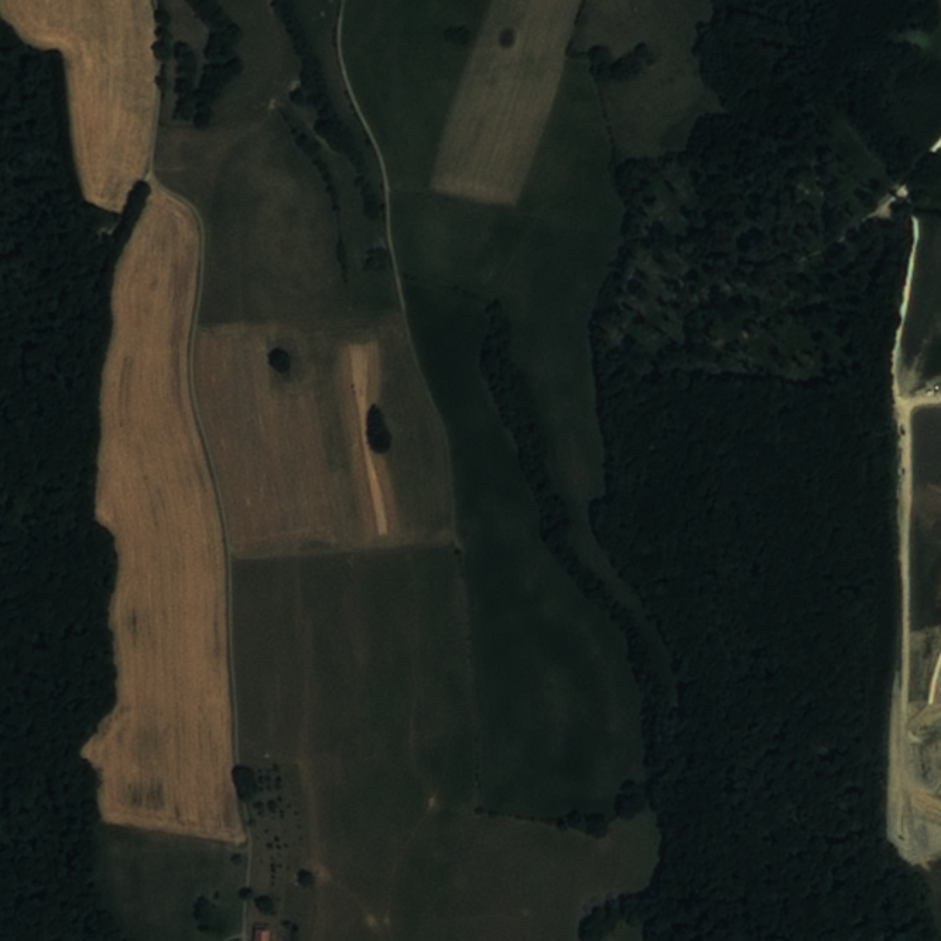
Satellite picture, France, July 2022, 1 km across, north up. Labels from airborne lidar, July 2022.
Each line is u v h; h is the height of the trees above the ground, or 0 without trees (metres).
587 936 19
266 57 0
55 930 24
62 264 21
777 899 10
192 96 15
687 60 0
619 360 25
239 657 0
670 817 24
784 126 27
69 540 21
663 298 0
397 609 0
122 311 0
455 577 0
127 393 0
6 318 21
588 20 0
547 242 0
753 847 22
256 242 0
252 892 13
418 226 0
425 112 0
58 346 25
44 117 26
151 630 0
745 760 21
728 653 21
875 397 25
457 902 0
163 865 0
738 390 22
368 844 0
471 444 0
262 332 0
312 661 0
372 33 0
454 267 0
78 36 0
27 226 24
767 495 23
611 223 0
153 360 0
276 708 0
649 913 22
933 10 21
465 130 0
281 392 0
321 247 0
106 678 17
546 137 0
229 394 0
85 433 21
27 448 27
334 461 0
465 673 0
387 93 0
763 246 29
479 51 0
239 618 0
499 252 0
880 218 0
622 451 20
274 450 0
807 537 25
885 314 19
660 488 23
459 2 0
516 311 0
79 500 20
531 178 0
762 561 21
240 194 0
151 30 0
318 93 8
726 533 19
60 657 22
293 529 0
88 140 0
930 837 0
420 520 0
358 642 0
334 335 0
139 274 0
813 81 23
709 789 22
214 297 0
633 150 0
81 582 23
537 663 0
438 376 0
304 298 0
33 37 0
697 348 26
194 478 0
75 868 22
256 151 0
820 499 27
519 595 0
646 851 0
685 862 29
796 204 27
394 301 0
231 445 0
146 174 0
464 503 0
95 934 30
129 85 0
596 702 0
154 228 0
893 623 9
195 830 0
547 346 0
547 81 0
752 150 28
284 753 0
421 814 0
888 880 25
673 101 0
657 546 24
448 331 0
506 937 0
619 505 23
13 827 22
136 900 0
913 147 16
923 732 0
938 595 0
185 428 0
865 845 24
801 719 21
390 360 0
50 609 26
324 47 0
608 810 0
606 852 0
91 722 22
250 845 0
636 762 0
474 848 0
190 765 0
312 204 0
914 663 0
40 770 15
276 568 0
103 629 21
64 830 13
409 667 0
